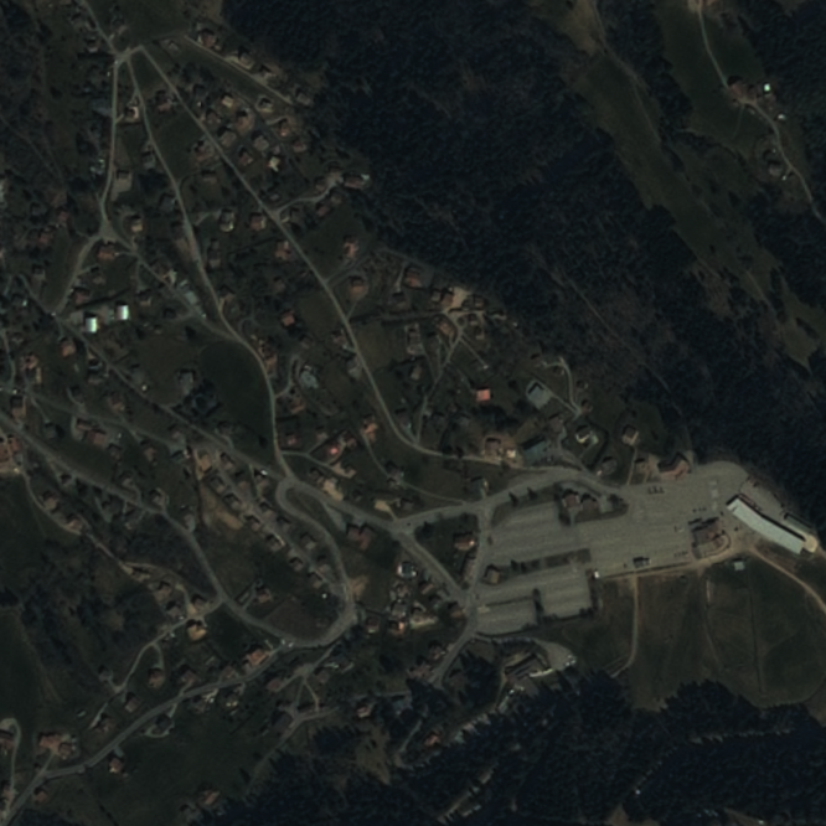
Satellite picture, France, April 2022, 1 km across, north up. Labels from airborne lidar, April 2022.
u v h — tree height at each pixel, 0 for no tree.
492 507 0
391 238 9
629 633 0
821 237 32
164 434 0
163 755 0
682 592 0
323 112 13
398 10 23
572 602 0
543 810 17
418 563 0
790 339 0
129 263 0
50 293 0
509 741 27
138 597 6
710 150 19
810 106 19
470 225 15
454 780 7
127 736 0
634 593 0
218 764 0
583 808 16
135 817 0
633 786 18
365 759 0
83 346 15
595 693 23
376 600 0
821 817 17
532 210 18
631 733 13
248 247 0
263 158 0
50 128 10
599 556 0
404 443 0
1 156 0
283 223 0
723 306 0
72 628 0
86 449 0
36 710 0
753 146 0
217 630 0
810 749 18
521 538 0
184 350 0
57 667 12
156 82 0
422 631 0
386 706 7
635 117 0
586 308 7
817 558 0
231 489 0
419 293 0
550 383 0
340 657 0
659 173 0
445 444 6
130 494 0
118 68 0
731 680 0
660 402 10
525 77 25
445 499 0
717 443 19
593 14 0
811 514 15
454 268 17
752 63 0
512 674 0
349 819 10
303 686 0
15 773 0
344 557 0
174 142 0
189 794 0
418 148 24
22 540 0
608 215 30
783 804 19
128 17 0
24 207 0
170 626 0
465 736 0
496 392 0
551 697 11
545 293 16
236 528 0
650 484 0
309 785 6
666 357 8
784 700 0
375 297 0
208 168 0
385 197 14
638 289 9
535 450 0
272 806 6
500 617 0
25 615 11
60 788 0
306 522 0
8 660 0
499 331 7
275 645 0
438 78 38
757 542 0
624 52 23
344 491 0
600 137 9
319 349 0
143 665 0
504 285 11
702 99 0
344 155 9
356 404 5
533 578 0
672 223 18
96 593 12
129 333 0
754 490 0
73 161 0
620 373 12
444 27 30
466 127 28
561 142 26
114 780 0
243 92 0
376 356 0
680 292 13
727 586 0
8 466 0
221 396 0
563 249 24
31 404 0
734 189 0
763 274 0
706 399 17
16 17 15
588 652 0
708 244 0
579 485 0
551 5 0
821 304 11
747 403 14
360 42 31
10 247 8
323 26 30
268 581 0
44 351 0
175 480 0
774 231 21
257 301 11
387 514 0
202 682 0
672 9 0
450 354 0
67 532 0
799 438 22
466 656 0
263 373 0
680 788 25
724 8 0
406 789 7
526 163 26
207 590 12
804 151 0
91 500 0
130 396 8
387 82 24
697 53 0
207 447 0
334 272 0
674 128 7
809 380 19
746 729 12
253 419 0
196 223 0
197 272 0
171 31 0
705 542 0
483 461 0
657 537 0
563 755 17
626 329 7
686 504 0
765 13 17
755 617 0
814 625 0
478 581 0
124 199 0
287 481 0
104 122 13
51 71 0
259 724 0
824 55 25
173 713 0
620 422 7
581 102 27
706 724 22
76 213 10
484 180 24
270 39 24
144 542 11
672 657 0
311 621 0
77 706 0
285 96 0
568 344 8
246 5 8
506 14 28
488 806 0
